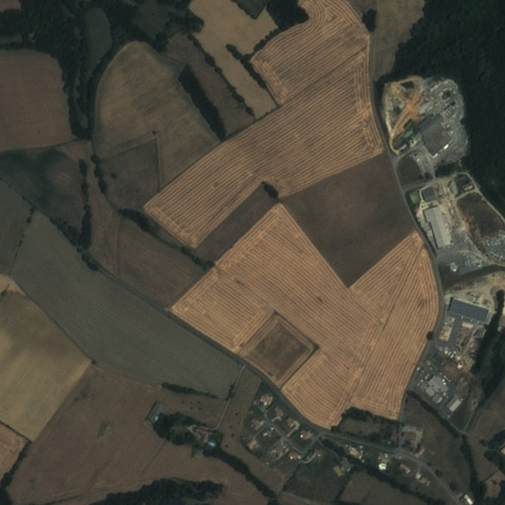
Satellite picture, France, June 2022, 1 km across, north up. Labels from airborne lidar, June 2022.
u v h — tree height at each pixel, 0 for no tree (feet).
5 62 0
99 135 0
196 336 0
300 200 0
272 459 0
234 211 0
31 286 0
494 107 62
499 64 71
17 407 0
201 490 48
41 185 0
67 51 51
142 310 0
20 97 0
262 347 0
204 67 0
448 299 0
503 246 0
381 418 29
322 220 0
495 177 0
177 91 0
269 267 0
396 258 0
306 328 0
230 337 0
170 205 0
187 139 0
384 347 0
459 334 0
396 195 0
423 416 0
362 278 0
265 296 0
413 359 0
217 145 0
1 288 0
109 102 0
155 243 0
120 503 45
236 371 0
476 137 54
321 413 0
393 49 0
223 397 0
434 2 29
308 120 0
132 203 0
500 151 69
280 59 0
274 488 0
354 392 0
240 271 0
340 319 0
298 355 0
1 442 0
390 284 0
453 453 0
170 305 0
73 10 86
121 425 0
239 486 0
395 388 0
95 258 0
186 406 0
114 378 0
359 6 0
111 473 0
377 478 34
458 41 44
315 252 0
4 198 0
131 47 0
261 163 0
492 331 42
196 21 23
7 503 44
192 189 0
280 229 0
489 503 57
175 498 31
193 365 0
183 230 0
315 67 0
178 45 0
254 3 0
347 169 0
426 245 0
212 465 0
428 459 0
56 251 0
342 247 0
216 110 39
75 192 0
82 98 49
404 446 35
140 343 0
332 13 0
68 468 0
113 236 0
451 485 39
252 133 0
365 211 0
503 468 66
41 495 0
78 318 0
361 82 0
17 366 0
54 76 0
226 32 0
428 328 0
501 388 0
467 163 35
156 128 0
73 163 0
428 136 0
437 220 0
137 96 0
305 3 0
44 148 0
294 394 0
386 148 0
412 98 0
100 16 0
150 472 0
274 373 0
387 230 0
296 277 0
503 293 27
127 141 0
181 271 0
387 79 49
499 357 45
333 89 0
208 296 0
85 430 0
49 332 0
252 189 0
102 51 0
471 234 0
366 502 0
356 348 0
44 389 0
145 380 0
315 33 0
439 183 0
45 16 31
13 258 0
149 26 0
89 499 0
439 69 43
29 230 0
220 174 0
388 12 0
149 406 0
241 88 0
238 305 0
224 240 0
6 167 0
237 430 0
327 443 34
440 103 0
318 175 0
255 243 0
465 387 0
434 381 0
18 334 0
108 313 0
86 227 50
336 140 0
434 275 0
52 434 0
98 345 0
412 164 0
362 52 0
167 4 43
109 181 0
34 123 0
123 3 23
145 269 0
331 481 0
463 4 34
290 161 0
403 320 0
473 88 57
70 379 0
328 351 0
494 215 0
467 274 21
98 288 0
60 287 0
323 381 0
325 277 0
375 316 0
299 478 0
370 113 0
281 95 0
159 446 0
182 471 0
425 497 33
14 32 56
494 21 34
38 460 0
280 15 24
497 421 0
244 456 0
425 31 60
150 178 0
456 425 0
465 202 0
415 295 0
